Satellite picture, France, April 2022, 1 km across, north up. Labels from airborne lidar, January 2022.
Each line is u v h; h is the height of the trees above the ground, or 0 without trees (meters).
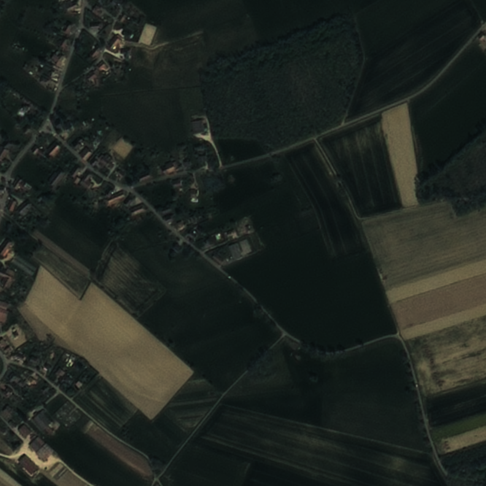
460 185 0
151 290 0
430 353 0
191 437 0
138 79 0
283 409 0
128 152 0
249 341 0
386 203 0
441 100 0
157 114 0
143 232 0
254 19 0
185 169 0
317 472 0
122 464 0
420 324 0
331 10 0
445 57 0
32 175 0
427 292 0
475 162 0
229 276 0
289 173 0
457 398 0
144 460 0
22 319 0
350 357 0
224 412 0
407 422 0
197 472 0
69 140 0
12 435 13
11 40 0
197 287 0
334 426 0
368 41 0
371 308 0
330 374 0
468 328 0
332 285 0
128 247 0
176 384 0
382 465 0
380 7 0
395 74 0
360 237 0
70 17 0
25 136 0
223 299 0
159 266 0
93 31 0
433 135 0
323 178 0
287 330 0
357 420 0
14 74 0
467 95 0
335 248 0
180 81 0
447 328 0
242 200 0
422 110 0
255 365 22
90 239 0
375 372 0
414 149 0
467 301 0
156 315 0
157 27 0
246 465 0
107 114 0
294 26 0
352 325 0
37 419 0
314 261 0
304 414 0
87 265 0
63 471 0
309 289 0
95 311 0
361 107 0
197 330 0
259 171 0
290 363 0
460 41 0
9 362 0
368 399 0
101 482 0
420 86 0
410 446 0
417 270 0
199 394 0
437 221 0
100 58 0
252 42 0
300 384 0
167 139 0
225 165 0
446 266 0
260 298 0
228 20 0
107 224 0
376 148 0
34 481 0
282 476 0
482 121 0
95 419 0
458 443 0
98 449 0
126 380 0
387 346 0
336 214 0
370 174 0
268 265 0
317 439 0
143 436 0
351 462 0
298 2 0
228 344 0
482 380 0
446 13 0
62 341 0
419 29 0
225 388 0
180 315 0
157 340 0
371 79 0
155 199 0
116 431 0
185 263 0
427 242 0
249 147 0
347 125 0
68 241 0
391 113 0
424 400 0
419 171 0
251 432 0
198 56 0
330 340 0
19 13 0
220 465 0
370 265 0
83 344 0
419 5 0
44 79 0
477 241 0
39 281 0
